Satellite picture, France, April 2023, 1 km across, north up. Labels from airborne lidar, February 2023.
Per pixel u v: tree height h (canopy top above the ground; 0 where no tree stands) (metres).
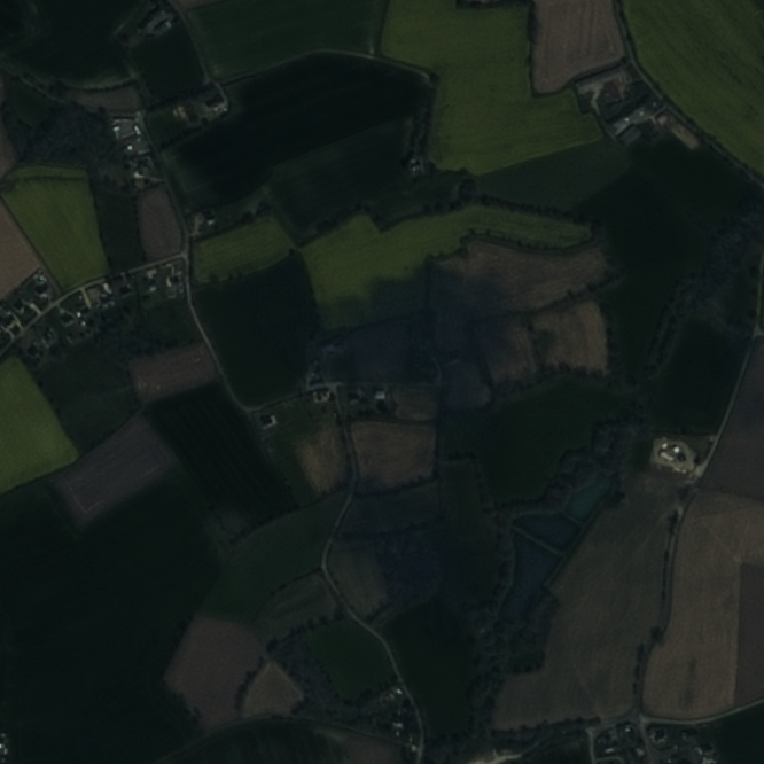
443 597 10
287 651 6
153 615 0
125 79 0
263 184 0
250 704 0
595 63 0
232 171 0
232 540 6
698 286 8
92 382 0
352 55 0
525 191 0
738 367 0
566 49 0
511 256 0
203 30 0
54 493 0
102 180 11
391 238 0
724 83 0
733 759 0
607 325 11
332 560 0
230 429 0
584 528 0
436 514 0
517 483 0
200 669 0
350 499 0
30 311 7
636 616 0
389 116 0
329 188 0
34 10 0
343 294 0
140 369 0
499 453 0
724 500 0
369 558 0
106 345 12
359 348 0
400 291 0
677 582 0
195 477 0
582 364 0
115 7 0
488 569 0
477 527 0
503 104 0
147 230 0
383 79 0
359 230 0
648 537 0
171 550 0
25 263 0
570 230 0
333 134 0
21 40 0
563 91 0
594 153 0
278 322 0
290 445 0
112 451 0
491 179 0
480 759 0
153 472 0
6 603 0
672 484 0
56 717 0
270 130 0
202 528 0
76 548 0
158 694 0
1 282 0
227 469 0
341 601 12
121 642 0
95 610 0
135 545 0
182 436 0
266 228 0
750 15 0
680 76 0
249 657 0
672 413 0
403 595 13
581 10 0
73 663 0
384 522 0
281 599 0
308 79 0
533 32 13
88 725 0
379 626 9
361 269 0
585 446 0
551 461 0
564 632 0
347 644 0
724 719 0
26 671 0
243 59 0
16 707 0
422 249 0
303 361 0
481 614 10
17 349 6
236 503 0
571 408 0
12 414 0
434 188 0
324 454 0
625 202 0
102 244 7
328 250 0
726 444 0
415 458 0
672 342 9
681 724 0
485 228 0
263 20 0
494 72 0
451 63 0
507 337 0
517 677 10
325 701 10
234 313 0
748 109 0
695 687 0
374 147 0
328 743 0
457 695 0
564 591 0
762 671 0
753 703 0
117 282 14
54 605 0
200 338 0
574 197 0
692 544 0
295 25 0
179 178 0
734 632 0
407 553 12
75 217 0
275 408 0
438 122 0
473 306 0
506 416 0
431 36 0
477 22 0
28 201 0
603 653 0
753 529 0
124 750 0
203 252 0
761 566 0
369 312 0
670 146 0
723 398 0
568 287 0
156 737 0
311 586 0
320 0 0
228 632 0
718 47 0
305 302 0
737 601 0
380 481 0
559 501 11
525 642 17
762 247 25
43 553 0
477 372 0
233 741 0
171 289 0
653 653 0
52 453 0
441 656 0
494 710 13
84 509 0
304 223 0
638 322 0
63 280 0
